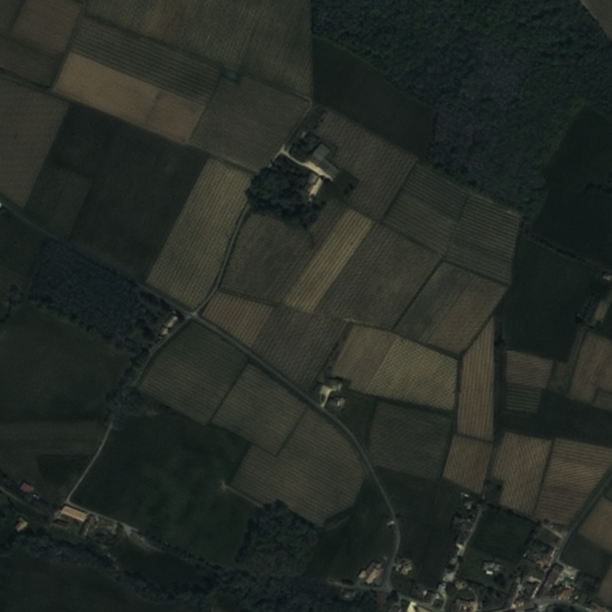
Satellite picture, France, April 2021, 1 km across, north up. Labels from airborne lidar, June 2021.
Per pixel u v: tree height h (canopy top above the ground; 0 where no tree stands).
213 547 0
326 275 0
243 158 0
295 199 15
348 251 0
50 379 0
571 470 0
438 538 0
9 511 6
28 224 0
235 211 0
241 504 0
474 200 0
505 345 16
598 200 0
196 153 0
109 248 0
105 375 0
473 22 26
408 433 0
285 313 0
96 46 0
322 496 0
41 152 0
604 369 0
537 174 16
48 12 0
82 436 0
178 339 0
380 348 0
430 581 0
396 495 0
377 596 7
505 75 18
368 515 0
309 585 15
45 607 0
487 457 0
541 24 22
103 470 0
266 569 15
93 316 18
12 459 0
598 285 0
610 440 0
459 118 20
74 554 20
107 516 0
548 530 0
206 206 0
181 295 0
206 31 0
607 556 0
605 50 17
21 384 0
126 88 0
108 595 0
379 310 0
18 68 0
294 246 0
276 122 0
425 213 0
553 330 0
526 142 19
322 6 15
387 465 0
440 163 10
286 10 0
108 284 27
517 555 0
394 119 0
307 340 0
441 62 22
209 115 0
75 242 0
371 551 0
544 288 0
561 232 0
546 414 0
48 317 0
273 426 0
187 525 0
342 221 0
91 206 0
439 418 0
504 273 0
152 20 0
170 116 0
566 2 21
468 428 0
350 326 0
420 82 21
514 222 0
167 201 0
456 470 0
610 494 0
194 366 0
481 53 18
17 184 0
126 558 0
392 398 0
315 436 0
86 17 0
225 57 0
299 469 0
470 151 15
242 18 0
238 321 0
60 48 0
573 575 0
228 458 0
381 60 19
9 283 0
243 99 0
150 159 0
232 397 0
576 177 0
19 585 0
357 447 0
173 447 0
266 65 0
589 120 0
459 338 0
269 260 0
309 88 0
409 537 0
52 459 0
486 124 19
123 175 0
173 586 0
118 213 0
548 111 19
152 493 0
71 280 21
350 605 11
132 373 15
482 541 0
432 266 0
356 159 0
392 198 0
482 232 0
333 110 0
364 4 20
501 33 22
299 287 0
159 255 0
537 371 0
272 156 0
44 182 0
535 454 0
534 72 23
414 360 0
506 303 0
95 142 0
